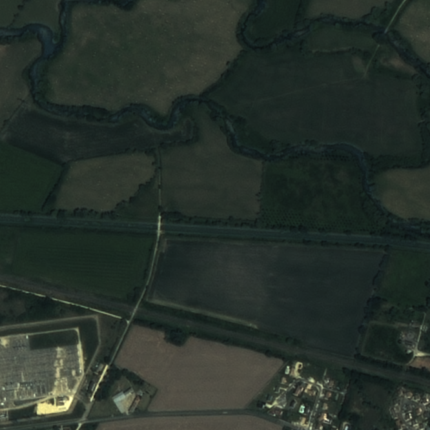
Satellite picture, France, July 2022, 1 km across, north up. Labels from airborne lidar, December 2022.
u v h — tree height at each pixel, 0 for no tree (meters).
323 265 0
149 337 0
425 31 0
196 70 0
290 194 0
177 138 0
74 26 0
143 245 0
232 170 0
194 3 0
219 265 0
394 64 0
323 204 0
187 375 0
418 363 0
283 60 0
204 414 0
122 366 0
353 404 0
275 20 0
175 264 0
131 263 0
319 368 0
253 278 0
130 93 0
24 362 0
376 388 0
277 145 21
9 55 0
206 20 0
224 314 0
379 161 9
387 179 0
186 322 0
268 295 0
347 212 0
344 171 0
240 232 0
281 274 0
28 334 0
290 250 0
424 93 15
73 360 0
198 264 0
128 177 0
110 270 0
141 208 0
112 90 0
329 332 0
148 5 0
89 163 0
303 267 0
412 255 0
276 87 0
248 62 0
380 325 0
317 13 0
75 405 0
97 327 0
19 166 0
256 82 0
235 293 0
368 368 0
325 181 0
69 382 0
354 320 0
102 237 0
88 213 21
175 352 0
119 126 0
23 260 0
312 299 0
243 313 0
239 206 0
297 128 0
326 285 0
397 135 0
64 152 0
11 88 0
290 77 0
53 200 17
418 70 9
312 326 0
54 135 0
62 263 0
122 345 0
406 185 0
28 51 0
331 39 0
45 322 0
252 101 0
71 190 0
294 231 18
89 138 0
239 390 0
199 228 0
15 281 0
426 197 0
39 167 0
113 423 0
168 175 0
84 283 0
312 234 0
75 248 0
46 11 0
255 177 0
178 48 0
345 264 0
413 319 9
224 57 0
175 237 0
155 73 0
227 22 0
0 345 0
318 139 0
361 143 0
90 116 12
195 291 0
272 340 0
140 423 0
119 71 0
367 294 0
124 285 0
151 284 0
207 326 0
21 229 0
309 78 0
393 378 0
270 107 0
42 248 0
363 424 0
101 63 0
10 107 0
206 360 0
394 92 0
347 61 0
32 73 0
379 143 0
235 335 0
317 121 0
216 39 0
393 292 0
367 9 0
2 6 0
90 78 0
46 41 0
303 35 0
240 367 0
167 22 0
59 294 0
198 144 0
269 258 0
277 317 0
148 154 14
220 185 0
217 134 0
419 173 0
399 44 18
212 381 0
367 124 0
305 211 0
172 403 0
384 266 18
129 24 0
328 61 0
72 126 0
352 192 0
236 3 0
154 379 0
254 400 0
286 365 0
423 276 0
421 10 0
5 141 0
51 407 0
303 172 0
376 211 21
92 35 0
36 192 0
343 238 0
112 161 0
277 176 0
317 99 0
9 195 0
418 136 0
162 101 0
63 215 20
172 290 0
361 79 0
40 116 0
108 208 0
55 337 0
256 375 0
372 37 0
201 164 0
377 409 16
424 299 0
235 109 0
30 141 0
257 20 0
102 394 18
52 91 0
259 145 0
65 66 0
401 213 0
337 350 0
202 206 0
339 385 9
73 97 0
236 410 0
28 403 0
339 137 0
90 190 0
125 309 0
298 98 0
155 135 0
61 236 0
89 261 0
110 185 0
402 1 0
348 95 0
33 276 0
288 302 0
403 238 17
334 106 0
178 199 0
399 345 0
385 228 8
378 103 0
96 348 0
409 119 0
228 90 0
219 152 0
